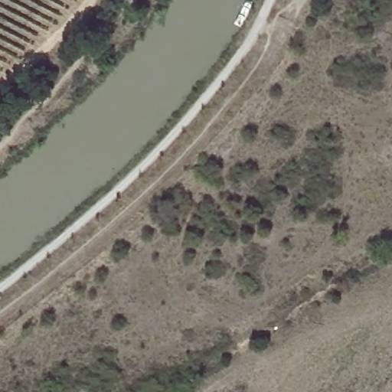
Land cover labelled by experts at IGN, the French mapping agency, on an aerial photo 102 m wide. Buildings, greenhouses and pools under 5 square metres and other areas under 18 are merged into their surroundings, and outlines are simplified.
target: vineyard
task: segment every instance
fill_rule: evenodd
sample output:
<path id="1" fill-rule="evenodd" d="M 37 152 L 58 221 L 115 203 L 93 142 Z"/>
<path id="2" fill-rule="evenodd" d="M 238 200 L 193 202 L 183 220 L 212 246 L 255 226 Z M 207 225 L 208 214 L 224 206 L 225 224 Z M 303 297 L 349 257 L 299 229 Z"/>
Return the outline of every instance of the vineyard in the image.
<path id="1" fill-rule="evenodd" d="M 95 6 L 100 0 L 0 0 L 0 89 L 14 83 L 20 73 L 28 72 L 26 63 L 34 61 L 41 52 L 49 52 L 58 47 L 63 40 L 67 23 L 73 20 L 78 12 Z"/>

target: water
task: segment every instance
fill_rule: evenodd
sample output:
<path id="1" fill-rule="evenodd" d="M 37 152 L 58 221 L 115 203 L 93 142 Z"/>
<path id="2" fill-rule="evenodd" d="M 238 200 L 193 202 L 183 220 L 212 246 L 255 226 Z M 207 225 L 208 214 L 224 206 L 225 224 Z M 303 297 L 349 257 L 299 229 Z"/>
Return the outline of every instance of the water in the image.
<path id="1" fill-rule="evenodd" d="M 47 231 L 51 231 L 75 210 L 77 205 L 86 201 L 96 188 L 104 188 L 112 178 L 118 182 L 126 178 L 132 170 L 129 168 L 129 162 L 144 150 L 144 147 L 150 147 L 153 136 L 170 118 L 171 112 L 184 103 L 185 96 L 190 93 L 194 83 L 205 78 L 208 70 L 230 44 L 231 37 L 236 34 L 237 29 L 239 26 L 234 24 L 234 21 L 239 17 L 243 5 L 253 0 L 171 0 L 165 12 L 165 23 L 159 24 L 158 21 L 152 20 L 149 26 L 145 26 L 145 37 L 136 41 L 133 51 L 127 52 L 126 57 L 122 58 L 118 66 L 109 73 L 106 81 L 103 81 L 100 87 L 96 87 L 81 106 L 57 122 L 51 132 L 47 133 L 46 141 L 34 147 L 34 152 L 29 158 L 23 159 L 20 164 L 8 171 L 5 178 L 0 179 L 0 269 L 5 265 L 11 266 L 15 259 L 32 247 L 32 243 L 38 243 Z"/>

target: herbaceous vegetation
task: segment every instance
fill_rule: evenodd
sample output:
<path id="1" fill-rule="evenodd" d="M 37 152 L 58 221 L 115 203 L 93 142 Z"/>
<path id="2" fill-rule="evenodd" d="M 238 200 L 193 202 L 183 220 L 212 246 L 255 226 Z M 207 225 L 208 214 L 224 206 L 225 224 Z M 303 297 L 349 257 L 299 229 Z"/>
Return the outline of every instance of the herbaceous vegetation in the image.
<path id="1" fill-rule="evenodd" d="M 262 32 L 257 35 L 256 43 L 234 67 L 230 77 L 222 81 L 213 98 L 204 104 L 193 121 L 182 129 L 178 138 L 171 142 L 167 149 L 162 150 L 152 165 L 141 171 L 126 190 L 119 191 L 116 198 L 103 211 L 96 213 L 80 231 L 73 233 L 57 250 L 47 254 L 14 285 L 0 292 L 0 392 L 6 392 L 12 377 L 17 377 L 20 381 L 41 378 L 44 372 L 51 371 L 51 367 L 58 361 L 61 367 L 66 367 L 67 364 L 89 366 L 96 361 L 92 357 L 95 346 L 116 349 L 118 364 L 122 371 L 142 377 L 149 372 L 149 367 L 153 364 L 178 366 L 188 360 L 187 351 L 211 348 L 219 341 L 220 331 L 224 328 L 230 332 L 231 340 L 236 343 L 231 346 L 230 352 L 222 354 L 222 358 L 227 360 L 230 366 L 205 378 L 198 392 L 392 392 L 392 262 L 364 277 L 360 282 L 354 283 L 351 291 L 345 292 L 338 303 L 332 302 L 329 291 L 334 289 L 334 283 L 329 283 L 328 280 L 332 274 L 340 271 L 345 273 L 346 269 L 354 268 L 361 271 L 369 268 L 371 263 L 366 256 L 367 242 L 380 243 L 383 240 L 392 240 L 392 70 L 384 75 L 383 90 L 374 90 L 367 96 L 360 95 L 355 89 L 335 87 L 334 80 L 328 75 L 328 69 L 338 55 L 352 57 L 355 54 L 369 54 L 375 46 L 381 46 L 380 52 L 383 57 L 392 58 L 392 21 L 387 21 L 380 31 L 374 32 L 374 35 L 367 35 L 358 40 L 355 32 L 343 28 L 343 14 L 348 6 L 346 0 L 332 0 L 334 3 L 331 12 L 325 17 L 318 18 L 314 26 L 308 26 L 306 17 L 311 12 L 311 0 L 276 0 L 266 17 Z M 296 31 L 302 31 L 305 35 L 305 55 L 294 54 L 289 49 L 289 38 L 296 34 Z M 296 141 L 291 147 L 285 149 L 279 139 L 269 135 L 271 126 L 276 122 L 283 122 L 296 130 Z M 259 179 L 274 178 L 276 173 L 285 168 L 288 159 L 302 155 L 308 145 L 308 130 L 318 129 L 320 126 L 331 129 L 332 124 L 340 127 L 343 139 L 343 155 L 332 164 L 332 173 L 341 176 L 343 191 L 338 198 L 326 199 L 318 207 L 322 210 L 328 208 L 331 216 L 346 214 L 345 219 L 341 220 L 341 224 L 334 224 L 332 227 L 331 224 L 318 222 L 315 214 L 306 213 L 305 205 L 289 208 L 283 202 L 277 204 L 276 213 L 271 220 L 273 228 L 268 236 L 253 234 L 254 242 L 266 247 L 265 262 L 259 266 L 259 279 L 263 291 L 257 296 L 240 297 L 239 280 L 230 269 L 227 269 L 224 276 L 219 279 L 208 279 L 205 276 L 205 262 L 210 260 L 214 250 L 210 240 L 202 239 L 201 245 L 196 248 L 196 256 L 190 265 L 185 265 L 182 259 L 184 234 L 165 236 L 158 222 L 150 217 L 149 207 L 153 194 L 161 194 L 165 188 L 175 184 L 184 185 L 185 190 L 193 193 L 194 201 L 198 202 L 204 198 L 204 194 L 213 196 L 219 191 L 230 191 L 227 201 L 240 202 L 240 196 L 256 198 L 257 191 L 254 191 L 253 187 Z M 210 155 L 207 158 L 208 164 L 222 168 L 224 185 L 213 187 L 205 184 L 202 179 L 196 179 L 193 171 L 184 170 L 185 164 L 198 164 L 199 153 L 202 152 Z M 231 182 L 228 175 L 231 167 L 236 162 L 247 159 L 256 159 L 259 171 L 254 171 L 253 175 L 242 182 Z M 130 242 L 129 253 L 119 262 L 113 262 L 110 253 L 113 243 L 119 239 Z M 283 297 L 289 296 L 289 292 L 302 291 L 303 286 L 309 286 L 314 296 L 294 306 L 292 311 L 276 308 L 282 303 Z"/>
<path id="2" fill-rule="evenodd" d="M 73 92 L 70 80 L 73 72 L 83 66 L 84 58 L 80 57 L 73 61 L 72 66 L 58 77 L 51 95 L 47 96 L 46 100 L 37 101 L 31 109 L 26 110 L 15 122 L 11 133 L 0 141 L 0 164 L 5 162 L 8 156 L 9 145 L 26 144 L 34 136 L 35 127 L 46 124 L 47 112 L 69 106 L 70 95 Z"/>
<path id="3" fill-rule="evenodd" d="M 231 266 L 237 265 L 237 257 L 243 253 L 243 242 L 225 240 L 220 248 L 220 260 L 230 263 Z"/>
<path id="4" fill-rule="evenodd" d="M 122 41 L 129 38 L 135 23 L 124 24 L 124 21 L 116 17 L 116 29 L 110 38 L 115 44 L 115 51 L 118 51 Z"/>

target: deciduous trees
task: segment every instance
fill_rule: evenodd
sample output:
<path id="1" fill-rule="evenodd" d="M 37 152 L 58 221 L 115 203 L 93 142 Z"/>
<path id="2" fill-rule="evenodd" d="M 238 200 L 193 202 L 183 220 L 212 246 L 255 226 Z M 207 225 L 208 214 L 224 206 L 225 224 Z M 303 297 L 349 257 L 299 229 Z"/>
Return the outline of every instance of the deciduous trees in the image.
<path id="1" fill-rule="evenodd" d="M 41 378 L 20 381 L 17 377 L 12 377 L 6 392 L 198 392 L 205 378 L 230 366 L 227 360 L 222 358 L 222 354 L 230 352 L 231 346 L 236 343 L 231 340 L 230 332 L 224 328 L 220 331 L 219 341 L 211 348 L 187 351 L 188 360 L 178 366 L 153 364 L 149 367 L 149 372 L 142 377 L 122 371 L 118 364 L 116 349 L 95 346 L 92 357 L 96 361 L 89 366 L 67 364 L 66 367 L 61 367 L 58 361 L 51 367 L 51 371 L 44 372 Z"/>
<path id="2" fill-rule="evenodd" d="M 340 271 L 332 274 L 328 280 L 329 283 L 334 283 L 334 289 L 329 291 L 332 302 L 338 303 L 345 292 L 351 291 L 354 283 L 360 282 L 364 277 L 392 262 L 392 240 L 383 240 L 380 243 L 367 242 L 366 256 L 371 263 L 369 268 L 361 271 L 354 268 L 346 269 L 345 273 Z"/>
<path id="3" fill-rule="evenodd" d="M 86 201 L 77 205 L 75 210 L 51 231 L 47 231 L 38 243 L 32 243 L 32 247 L 15 259 L 11 266 L 5 265 L 0 269 L 0 282 L 14 273 L 18 266 L 28 262 L 41 248 L 46 247 L 47 243 L 60 236 L 78 217 L 83 216 L 92 205 L 106 196 L 118 182 L 112 178 L 104 188 L 96 188 Z"/>
<path id="4" fill-rule="evenodd" d="M 305 55 L 305 35 L 302 31 L 296 31 L 296 34 L 289 38 L 289 49 L 294 54 Z"/>
<path id="5" fill-rule="evenodd" d="M 318 222 L 331 224 L 332 227 L 334 224 L 341 224 L 341 220 L 345 219 L 346 214 L 331 216 L 328 208 L 322 210 L 318 207 L 326 199 L 338 198 L 343 191 L 341 176 L 332 173 L 332 164 L 343 155 L 343 139 L 340 127 L 332 124 L 331 129 L 320 126 L 318 129 L 308 130 L 308 145 L 302 155 L 288 159 L 285 168 L 276 173 L 274 178 L 259 179 L 253 187 L 254 191 L 257 191 L 256 198 L 240 196 L 240 202 L 227 201 L 230 191 L 219 191 L 213 196 L 204 194 L 204 198 L 198 202 L 194 201 L 193 193 L 185 190 L 184 185 L 175 184 L 165 188 L 161 194 L 153 194 L 149 207 L 150 217 L 158 222 L 165 236 L 184 234 L 182 259 L 185 265 L 190 265 L 196 256 L 196 248 L 201 245 L 202 239 L 210 240 L 214 250 L 210 260 L 205 262 L 205 276 L 208 279 L 219 279 L 224 276 L 227 269 L 230 269 L 239 280 L 240 297 L 257 296 L 263 291 L 259 279 L 259 266 L 265 262 L 266 247 L 254 242 L 253 234 L 268 236 L 273 228 L 271 220 L 276 213 L 277 204 L 283 202 L 289 208 L 305 205 L 306 213 L 315 214 Z M 243 253 L 237 257 L 237 265 L 231 266 L 230 263 L 220 260 L 220 248 L 225 240 L 243 242 Z"/>
<path id="6" fill-rule="evenodd" d="M 292 311 L 294 306 L 314 296 L 309 286 L 303 286 L 302 291 L 289 292 L 289 296 L 283 297 L 282 303 L 276 308 Z"/>
<path id="7" fill-rule="evenodd" d="M 130 242 L 119 239 L 113 243 L 110 253 L 113 262 L 119 262 L 129 253 Z"/>
<path id="8" fill-rule="evenodd" d="M 236 34 L 231 37 L 230 44 L 208 70 L 205 78 L 194 83 L 190 93 L 185 96 L 184 103 L 171 112 L 170 118 L 153 136 L 150 147 L 144 147 L 144 150 L 129 162 L 129 168 L 132 170 L 178 124 L 179 119 L 190 110 L 199 96 L 219 75 L 220 70 L 227 66 L 231 57 L 236 54 L 240 44 L 247 37 L 237 29 Z"/>
<path id="9" fill-rule="evenodd" d="M 296 141 L 296 130 L 283 122 L 276 122 L 271 126 L 269 135 L 279 139 L 285 149 L 291 147 Z"/>
<path id="10" fill-rule="evenodd" d="M 328 75 L 334 80 L 335 87 L 355 89 L 360 95 L 367 96 L 374 90 L 383 90 L 384 75 L 392 70 L 392 58 L 383 57 L 380 52 L 381 46 L 375 46 L 369 54 L 355 54 L 352 57 L 338 55 L 328 69 Z"/>
<path id="11" fill-rule="evenodd" d="M 26 110 L 31 109 L 37 101 L 46 100 L 47 96 L 51 95 L 58 77 L 72 66 L 73 61 L 80 57 L 84 58 L 83 66 L 73 72 L 70 80 L 73 92 L 70 95 L 69 106 L 47 112 L 46 124 L 35 127 L 34 136 L 26 144 L 9 145 L 8 156 L 5 162 L 0 164 L 0 179 L 5 178 L 8 171 L 20 164 L 23 159 L 29 158 L 34 152 L 34 147 L 46 141 L 47 133 L 51 132 L 57 122 L 81 106 L 96 87 L 100 87 L 103 81 L 106 81 L 109 73 L 118 66 L 122 58 L 126 57 L 127 52 L 133 51 L 136 41 L 145 37 L 145 26 L 149 26 L 152 20 L 158 21 L 159 24 L 165 23 L 165 12 L 171 0 L 100 0 L 95 6 L 78 12 L 73 20 L 67 23 L 63 40 L 58 47 L 49 52 L 41 52 L 34 61 L 26 63 L 28 72 L 20 73 L 14 83 L 0 89 L 0 141 L 11 133 L 15 122 Z M 115 51 L 115 44 L 110 38 L 116 29 L 116 17 L 124 21 L 124 24 L 135 23 L 129 38 L 122 41 L 118 51 Z"/>
<path id="12" fill-rule="evenodd" d="M 253 175 L 254 171 L 259 171 L 256 159 L 247 159 L 236 162 L 231 167 L 228 175 L 231 182 L 242 182 Z"/>
<path id="13" fill-rule="evenodd" d="M 196 179 L 202 179 L 205 184 L 213 187 L 224 185 L 222 168 L 208 164 L 207 158 L 210 155 L 202 152 L 199 153 L 198 164 L 185 164 L 184 170 L 193 171 Z"/>
<path id="14" fill-rule="evenodd" d="M 311 12 L 306 17 L 308 26 L 314 26 L 318 18 L 325 17 L 331 12 L 334 3 L 332 0 L 311 0 Z"/>
<path id="15" fill-rule="evenodd" d="M 343 14 L 343 28 L 355 32 L 358 40 L 367 35 L 374 35 L 374 32 L 380 31 L 387 21 L 392 21 L 392 0 L 346 0 L 348 6 Z"/>

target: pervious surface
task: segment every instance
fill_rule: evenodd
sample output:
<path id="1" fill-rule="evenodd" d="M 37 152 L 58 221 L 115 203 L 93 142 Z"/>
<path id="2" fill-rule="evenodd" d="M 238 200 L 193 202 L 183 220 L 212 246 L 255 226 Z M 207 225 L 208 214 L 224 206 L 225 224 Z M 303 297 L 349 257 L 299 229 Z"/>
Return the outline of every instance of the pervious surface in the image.
<path id="1" fill-rule="evenodd" d="M 116 198 L 119 191 L 126 190 L 141 171 L 152 165 L 162 150 L 167 149 L 171 142 L 178 138 L 182 129 L 193 121 L 204 104 L 213 98 L 222 81 L 230 77 L 234 67 L 256 43 L 257 35 L 262 32 L 266 17 L 276 0 L 253 0 L 243 5 L 239 17 L 234 21 L 234 24 L 239 26 L 237 29 L 247 37 L 240 44 L 236 54 L 231 57 L 227 66 L 220 70 L 219 75 L 199 96 L 190 110 L 179 119 L 178 124 L 132 170 L 126 178 L 118 182 L 106 196 L 92 205 L 83 216 L 78 217 L 60 236 L 47 243 L 46 247 L 41 248 L 28 262 L 18 266 L 14 273 L 0 282 L 0 292 L 14 285 L 47 254 L 57 250 L 73 233 L 80 231 L 96 213 L 103 211 Z"/>

